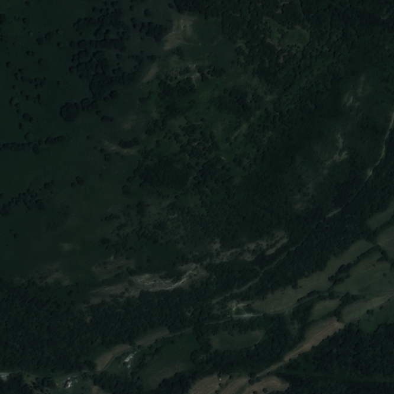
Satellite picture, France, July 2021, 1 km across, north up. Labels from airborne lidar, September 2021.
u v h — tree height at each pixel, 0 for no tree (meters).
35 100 11
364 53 13
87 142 0
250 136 7
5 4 0
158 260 0
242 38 12
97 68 18
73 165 0
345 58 27
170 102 8
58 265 0
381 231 8
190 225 7
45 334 11
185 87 9
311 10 24
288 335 15
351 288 0
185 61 11
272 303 0
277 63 16
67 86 0
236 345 0
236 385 0
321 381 12
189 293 12
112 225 0
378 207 9
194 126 16
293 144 10
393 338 21
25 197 17
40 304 11
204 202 18
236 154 9
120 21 10
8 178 0
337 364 11
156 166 11
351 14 7
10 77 0
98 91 20
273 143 16
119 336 18
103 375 10
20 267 0
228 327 14
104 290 0
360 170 8
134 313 12
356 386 13
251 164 14
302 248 18
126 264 0
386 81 10
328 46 21
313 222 13
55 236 0
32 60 0
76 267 0
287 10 23
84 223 0
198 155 23
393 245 0
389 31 11
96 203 0
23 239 0
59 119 0
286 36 17
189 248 0
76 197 0
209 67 7
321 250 14
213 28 0
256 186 10
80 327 15
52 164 0
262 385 0
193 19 0
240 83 0
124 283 0
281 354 26
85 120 0
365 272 0
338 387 25
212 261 7
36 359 16
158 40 10
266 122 8
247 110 25
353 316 0
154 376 0
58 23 0
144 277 0
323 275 0
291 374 7
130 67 0
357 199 18
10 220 0
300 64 21
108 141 0
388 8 7
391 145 20
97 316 15
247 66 16
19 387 16
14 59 0
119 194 0
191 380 21
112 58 0
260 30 19
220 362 14
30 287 12
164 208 7
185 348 0
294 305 0
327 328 0
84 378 16
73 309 8
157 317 17
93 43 16
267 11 21
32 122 17
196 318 15
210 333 15
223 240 14
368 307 0
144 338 0
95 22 19
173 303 17
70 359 22
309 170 7
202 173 24
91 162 0
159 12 0
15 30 0
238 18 18
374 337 15
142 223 13
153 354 7
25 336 15
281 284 18
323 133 6
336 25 22
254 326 14
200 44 0
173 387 11
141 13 0
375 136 8
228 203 16
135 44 0
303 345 0
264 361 16
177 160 7
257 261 10
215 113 0
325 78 9
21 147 21
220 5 25
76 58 14
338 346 13
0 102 0
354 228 18
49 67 0
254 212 6
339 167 7
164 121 21
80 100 0
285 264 18
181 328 18
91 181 0
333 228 19
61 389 0
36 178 0
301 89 13
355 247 0
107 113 0
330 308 0
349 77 7
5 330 14
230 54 0
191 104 6
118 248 15
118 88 0
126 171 0
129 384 12
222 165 24
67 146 0
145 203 7
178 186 11
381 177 17
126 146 17
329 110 9
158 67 0
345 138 7
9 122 0
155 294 10
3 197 10
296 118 7
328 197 9
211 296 13
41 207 15
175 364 0
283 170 8
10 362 11
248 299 12
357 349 22
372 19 21
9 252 0
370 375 20
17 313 10
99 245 7
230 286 16
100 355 0
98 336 19
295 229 10
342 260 0
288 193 9
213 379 0
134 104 0
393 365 15
